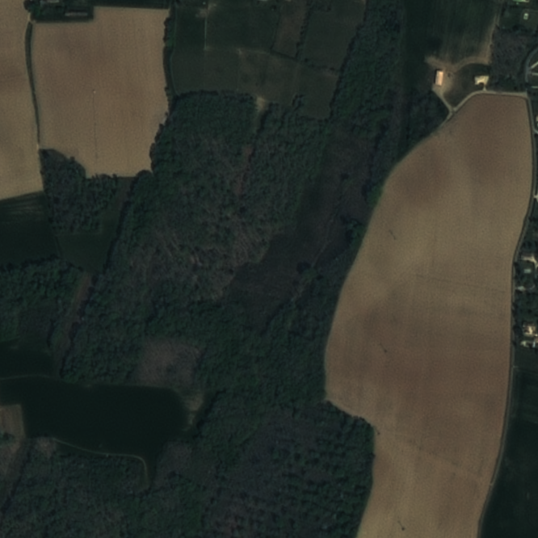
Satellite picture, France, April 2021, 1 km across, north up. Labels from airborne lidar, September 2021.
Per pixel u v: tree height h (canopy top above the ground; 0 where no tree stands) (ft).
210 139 58
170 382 56
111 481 38
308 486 47
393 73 60
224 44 0
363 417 0
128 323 52
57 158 0
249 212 43
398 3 43
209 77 0
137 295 57
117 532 63
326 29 0
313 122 36
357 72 66
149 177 56
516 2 0
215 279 57
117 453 0
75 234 42
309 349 58
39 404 0
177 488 61
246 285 20
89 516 58
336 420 42
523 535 0
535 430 0
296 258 25
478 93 0
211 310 42
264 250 50
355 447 56
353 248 68
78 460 30
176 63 0
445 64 0
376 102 64
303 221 22
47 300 43
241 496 31
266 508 62
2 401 0
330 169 34
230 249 58
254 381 93
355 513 52
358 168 34
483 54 0
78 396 0
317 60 0
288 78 0
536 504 0
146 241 60
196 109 68
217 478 57
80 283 64
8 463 73
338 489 44
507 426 0
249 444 64
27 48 0
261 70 0
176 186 72
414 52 0
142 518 68
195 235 61
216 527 31
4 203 0
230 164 59
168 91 32
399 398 0
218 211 57
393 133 66
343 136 40
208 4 0
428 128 54
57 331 65
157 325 73
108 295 60
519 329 28
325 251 35
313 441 40
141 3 0
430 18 0
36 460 48
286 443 45
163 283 34
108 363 43
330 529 34
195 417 0
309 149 51
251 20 0
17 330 35
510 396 0
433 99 25
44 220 0
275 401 63
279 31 0
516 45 60
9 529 43
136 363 60
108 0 0
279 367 69
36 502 59
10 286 74
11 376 0
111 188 64
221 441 72
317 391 71
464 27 0
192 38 0
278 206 41
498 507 0
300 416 56
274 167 38
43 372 0
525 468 0
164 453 35
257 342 83
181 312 37
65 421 0
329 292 37
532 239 0
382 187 46
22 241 0
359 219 30
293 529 54
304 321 35
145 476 0
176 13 0
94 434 0
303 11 0
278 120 30
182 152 57
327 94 0
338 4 0
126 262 58
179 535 84
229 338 81
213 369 62
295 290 26
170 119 56
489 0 0
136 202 56
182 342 67
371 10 47
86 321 76
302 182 50
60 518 67
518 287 18
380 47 76
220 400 43
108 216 0
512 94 0
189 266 38
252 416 74
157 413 0
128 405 0
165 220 53
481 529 0
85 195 52
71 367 32
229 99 47
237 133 50
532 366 0
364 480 61
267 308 22
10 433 0
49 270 66
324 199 34
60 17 0
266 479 54
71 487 52
